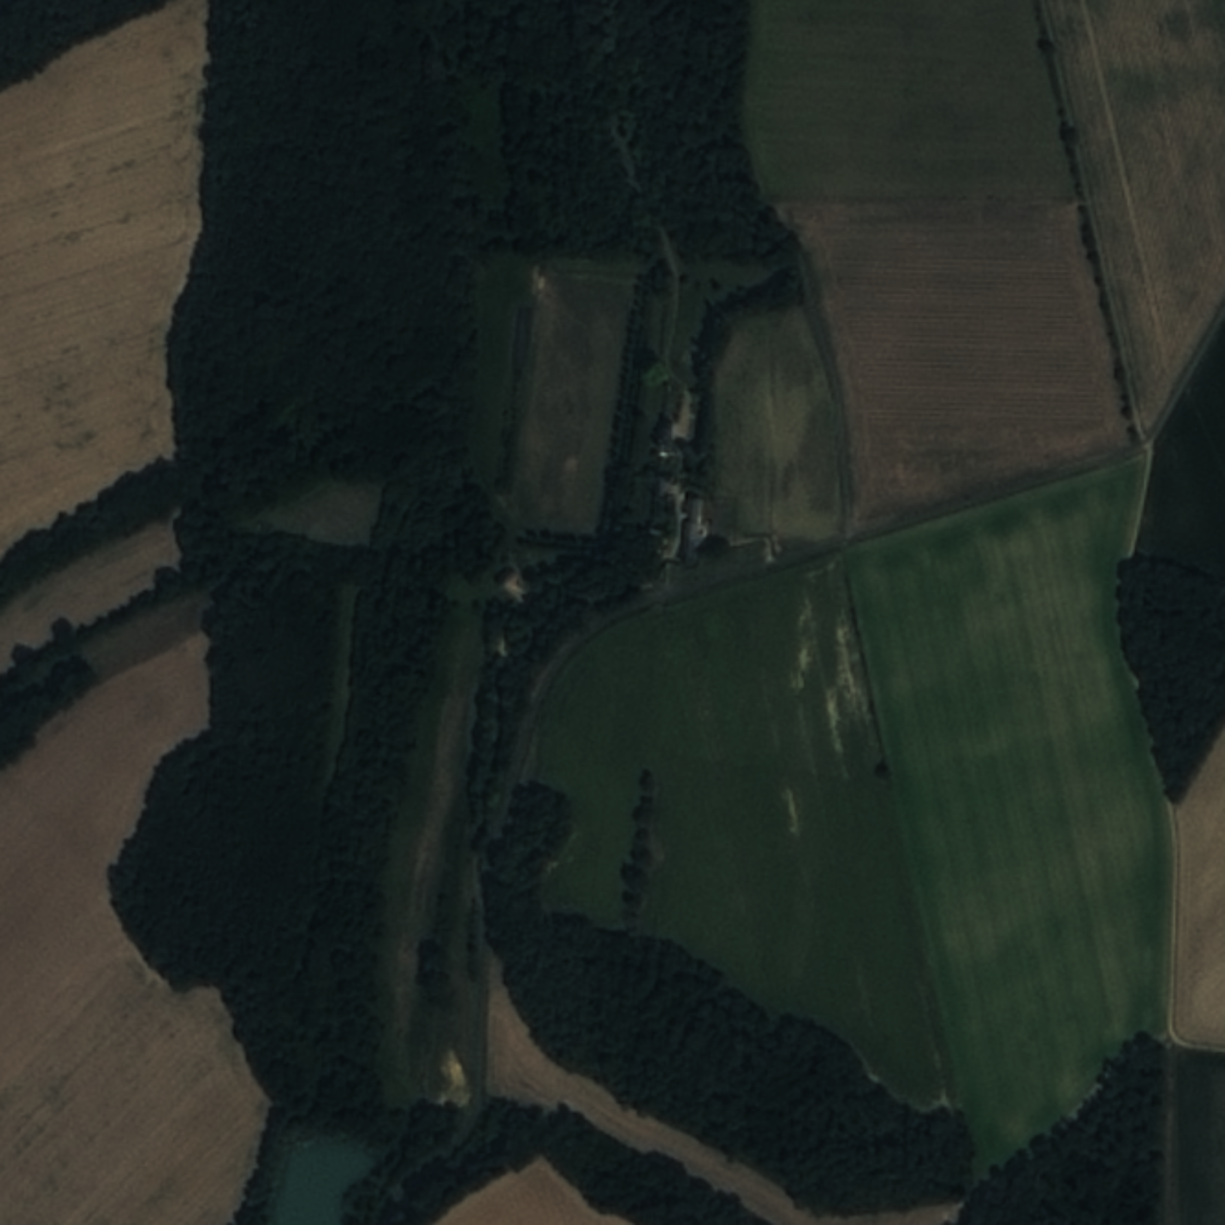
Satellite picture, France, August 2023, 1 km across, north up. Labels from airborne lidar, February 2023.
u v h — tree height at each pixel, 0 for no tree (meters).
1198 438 0
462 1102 0
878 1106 22
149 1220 0
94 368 0
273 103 20
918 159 0
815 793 0
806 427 0
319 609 15
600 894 0
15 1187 0
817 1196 22
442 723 0
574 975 19
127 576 0
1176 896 0
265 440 19
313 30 18
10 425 0
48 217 0
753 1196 0
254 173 21
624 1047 11
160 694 0
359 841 10
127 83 0
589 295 0
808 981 0
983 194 0
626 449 10
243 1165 0
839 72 0
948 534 0
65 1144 0
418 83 17
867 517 0
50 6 20
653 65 21
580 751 0
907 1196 19
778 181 0
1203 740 19
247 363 20
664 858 0
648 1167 15
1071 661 0
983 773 0
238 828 14
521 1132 23
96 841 0
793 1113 19
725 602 0
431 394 13
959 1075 0
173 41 0
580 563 11
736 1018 21
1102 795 0
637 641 0
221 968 11
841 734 0
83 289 0
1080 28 0
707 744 0
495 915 19
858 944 0
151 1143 0
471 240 23
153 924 11
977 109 0
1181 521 0
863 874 0
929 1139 18
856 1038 0
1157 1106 18
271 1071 13
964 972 0
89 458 0
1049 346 0
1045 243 0
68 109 0
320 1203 0
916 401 0
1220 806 0
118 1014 0
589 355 0
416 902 0
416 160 22
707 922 0
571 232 9
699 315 0
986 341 0
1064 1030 0
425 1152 16
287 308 24
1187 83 0
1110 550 0
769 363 0
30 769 0
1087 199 0
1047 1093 0
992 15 0
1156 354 0
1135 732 0
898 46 0
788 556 0
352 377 22
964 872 0
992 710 0
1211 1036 0
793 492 0
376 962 10
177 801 13
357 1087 16
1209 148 0
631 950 10
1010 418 0
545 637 16
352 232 25
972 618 0
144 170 0
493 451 0
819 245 0
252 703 15
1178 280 0
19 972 0
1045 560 0
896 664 0
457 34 27
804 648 0
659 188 16
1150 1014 0
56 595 0
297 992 10
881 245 0
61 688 21
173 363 15
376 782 8
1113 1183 26
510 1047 0
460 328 28
